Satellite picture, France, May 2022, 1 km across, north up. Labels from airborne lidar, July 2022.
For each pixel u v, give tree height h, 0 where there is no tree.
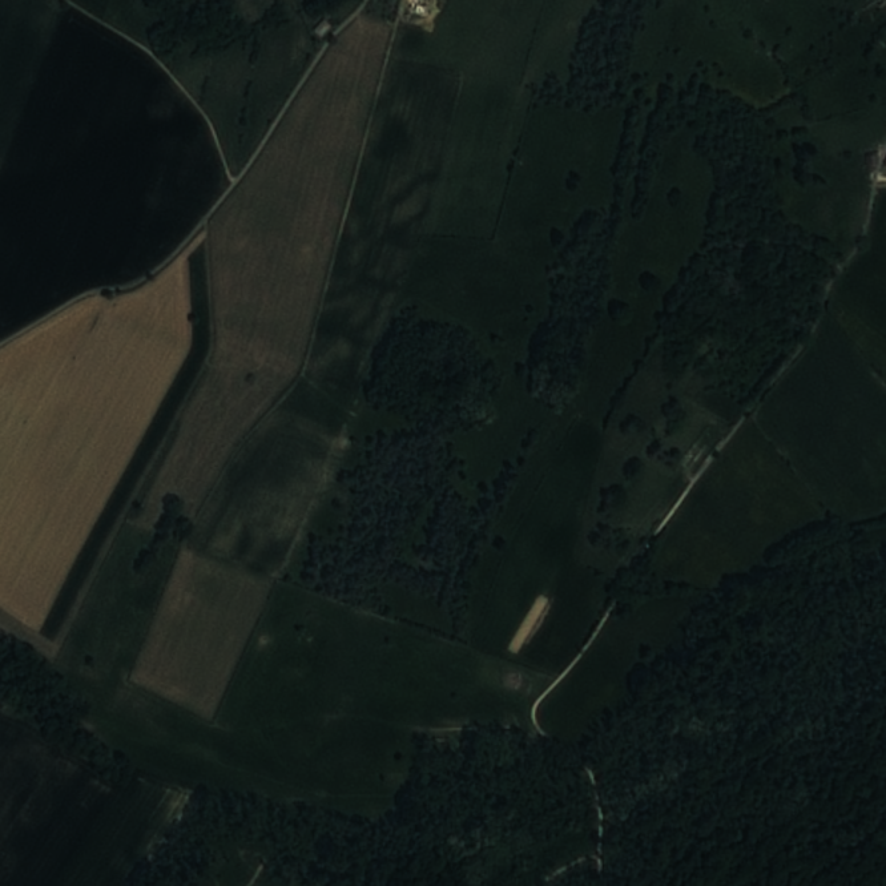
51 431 0
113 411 0
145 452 0
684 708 28
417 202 0
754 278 16
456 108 0
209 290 0
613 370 0
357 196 0
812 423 0
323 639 0
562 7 0
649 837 27
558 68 0
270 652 0
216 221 0
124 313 0
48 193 0
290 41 0
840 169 0
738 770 26
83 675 0
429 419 18
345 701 0
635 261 0
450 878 17
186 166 0
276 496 0
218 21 12
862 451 0
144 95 0
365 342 0
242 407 0
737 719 25
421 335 22
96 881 0
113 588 0
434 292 0
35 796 0
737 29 0
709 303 22
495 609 0
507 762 27
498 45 0
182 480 0
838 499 0
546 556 0
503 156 0
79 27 0
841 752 25
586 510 0
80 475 0
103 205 0
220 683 0
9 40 0
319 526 0
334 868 29
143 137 0
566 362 26
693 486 0
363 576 12
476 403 24
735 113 17
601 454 0
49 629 0
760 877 19
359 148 0
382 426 0
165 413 0
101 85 0
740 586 28
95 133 0
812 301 19
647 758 29
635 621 0
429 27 0
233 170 0
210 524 0
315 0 15
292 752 0
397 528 20
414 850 30
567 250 15
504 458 0
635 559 8
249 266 0
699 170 0
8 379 0
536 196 0
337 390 0
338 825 25
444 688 0
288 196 0
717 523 0
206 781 0
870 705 28
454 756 30
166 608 0
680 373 8
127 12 0
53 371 0
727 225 17
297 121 0
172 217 0
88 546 0
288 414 0
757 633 32
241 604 0
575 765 27
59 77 0
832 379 0
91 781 0
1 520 0
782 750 27
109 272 0
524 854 9
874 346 0
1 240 0
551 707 0
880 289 0
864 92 0
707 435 0
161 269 0
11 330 0
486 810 30
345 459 0
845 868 27
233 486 0
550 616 0
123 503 0
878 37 8
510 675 0
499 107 0
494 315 0
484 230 0
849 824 11
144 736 0
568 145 0
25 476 0
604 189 0
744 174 23
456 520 22
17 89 0
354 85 0
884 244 0
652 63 0
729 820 15
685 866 19
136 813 0
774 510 0
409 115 0
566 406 19
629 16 15
